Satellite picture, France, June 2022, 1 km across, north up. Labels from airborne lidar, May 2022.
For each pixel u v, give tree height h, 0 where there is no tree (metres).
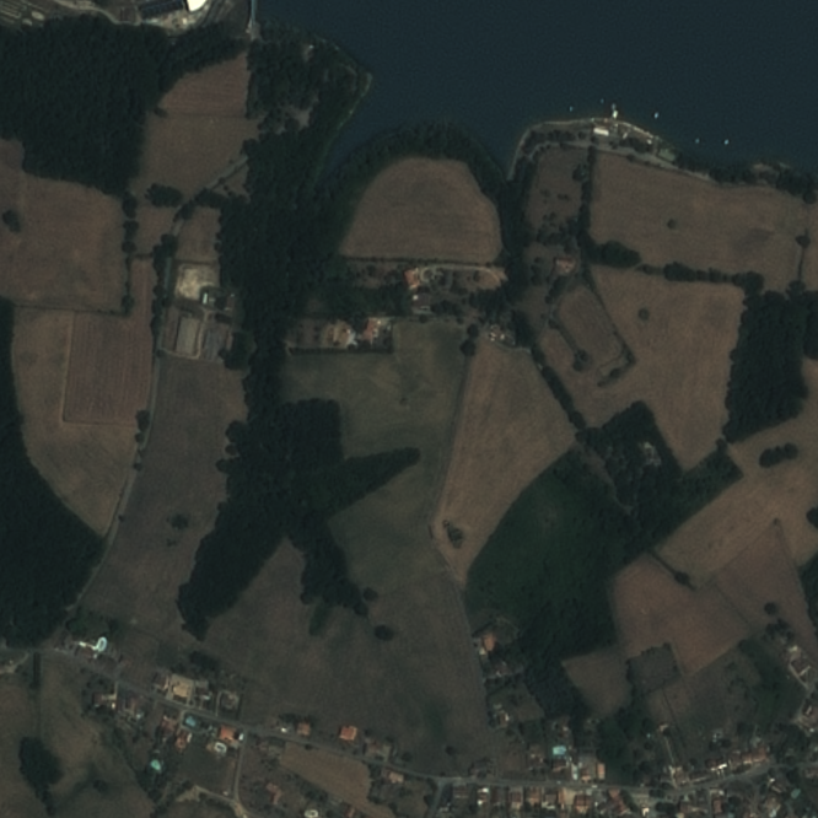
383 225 0
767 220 0
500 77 0
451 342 0
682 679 0
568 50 0
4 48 6
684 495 11
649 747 9
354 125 0
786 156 0
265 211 10
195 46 19
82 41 23
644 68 0
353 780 0
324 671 0
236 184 0
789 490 0
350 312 10
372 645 0
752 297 14
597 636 15
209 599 20
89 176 15
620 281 0
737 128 0
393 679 0
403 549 0
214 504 0
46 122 17
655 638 0
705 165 11
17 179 0
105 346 0
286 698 0
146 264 0
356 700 0
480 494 0
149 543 0
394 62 0
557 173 0
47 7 0
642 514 16
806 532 0
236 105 0
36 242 0
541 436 0
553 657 15
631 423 14
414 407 0
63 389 0
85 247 0
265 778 0
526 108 0
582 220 13
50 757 15
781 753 6
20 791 0
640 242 0
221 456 0
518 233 24
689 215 0
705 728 0
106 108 14
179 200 12
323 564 22
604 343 0
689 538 0
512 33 0
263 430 22
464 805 0
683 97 0
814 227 0
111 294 0
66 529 19
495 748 0
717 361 0
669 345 0
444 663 0
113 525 0
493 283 0
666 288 0
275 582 0
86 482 0
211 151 0
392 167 0
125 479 0
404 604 0
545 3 0
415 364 0
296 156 17
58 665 0
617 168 0
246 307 12
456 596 0
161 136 0
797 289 16
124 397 0
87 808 0
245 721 0
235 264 14
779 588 0
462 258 0
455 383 0
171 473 0
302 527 11
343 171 19
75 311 0
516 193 18
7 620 14
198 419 0
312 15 0
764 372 19
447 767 0
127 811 0
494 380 0
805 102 0
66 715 0
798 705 0
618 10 0
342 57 14
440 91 0
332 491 7
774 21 0
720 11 0
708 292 0
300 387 0
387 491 0
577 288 0
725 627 0
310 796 8
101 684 9
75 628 13
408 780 9
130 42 20
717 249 0
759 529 0
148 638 0
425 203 0
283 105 11
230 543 21
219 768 0
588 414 0
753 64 0
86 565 18
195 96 0
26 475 25
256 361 19
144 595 0
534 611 10
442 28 0
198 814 0
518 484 0
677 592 0
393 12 0
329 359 0
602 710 0
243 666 0
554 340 0
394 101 0
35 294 0
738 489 0
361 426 0
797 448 13
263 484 21
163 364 0
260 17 0
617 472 10
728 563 0
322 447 17
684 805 0
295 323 11
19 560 21
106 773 0
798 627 0
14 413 19
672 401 0
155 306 11
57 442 0
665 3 0
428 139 17
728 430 17
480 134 0
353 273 11
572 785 0
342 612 0
